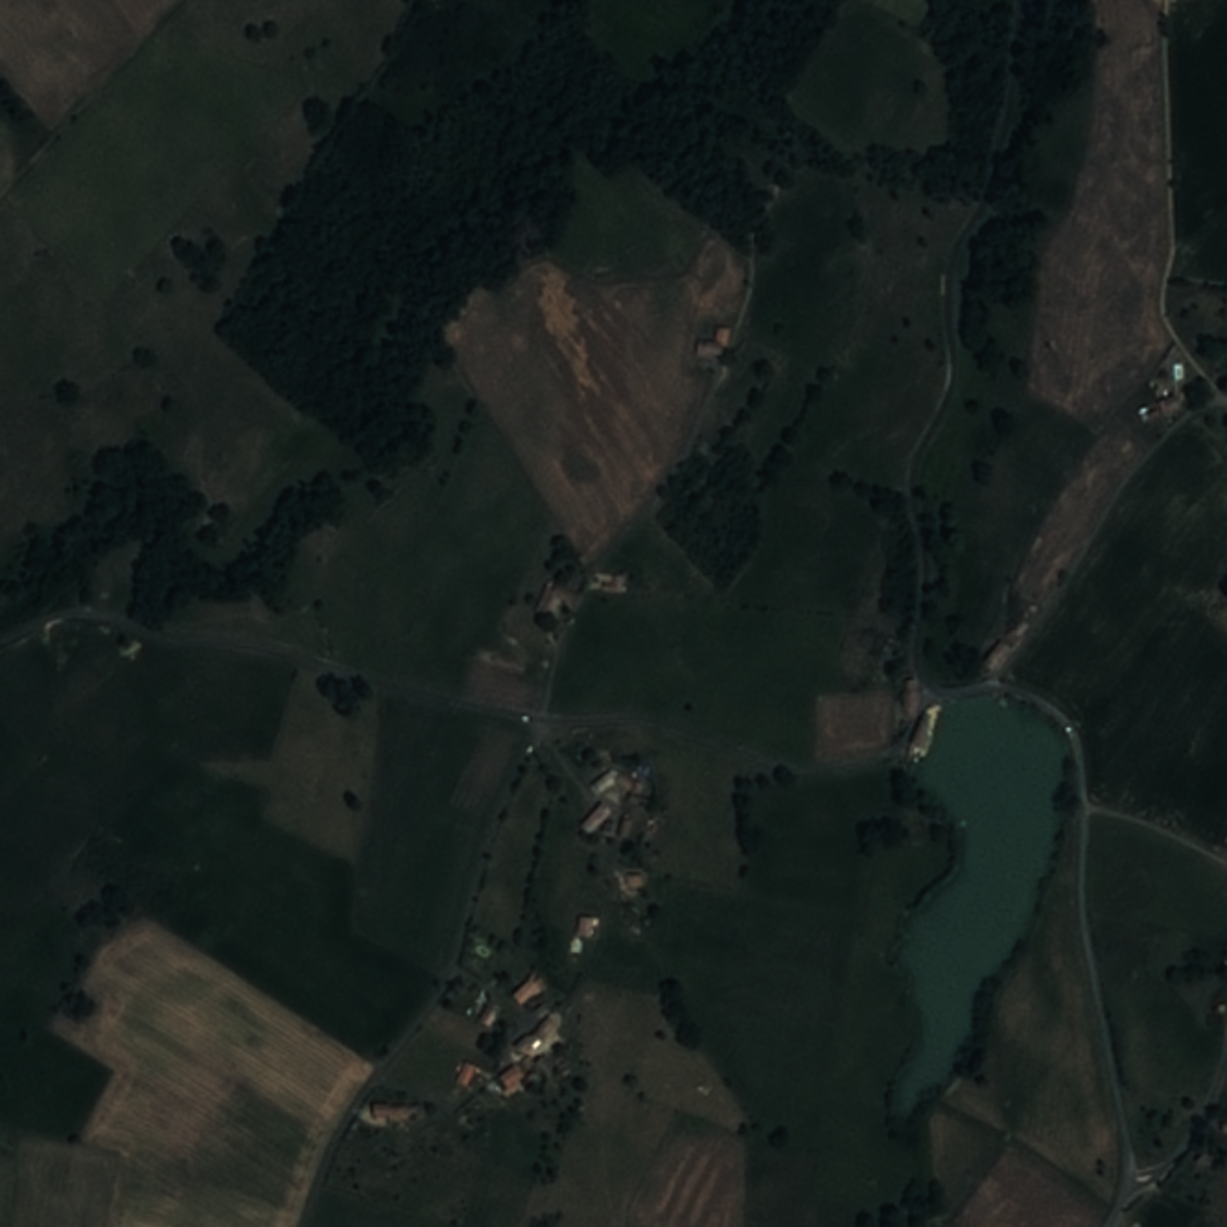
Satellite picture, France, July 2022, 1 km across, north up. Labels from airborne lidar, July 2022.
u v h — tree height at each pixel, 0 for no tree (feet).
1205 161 0
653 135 68
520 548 0
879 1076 0
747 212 31
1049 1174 0
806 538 0
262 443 0
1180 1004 0
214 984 0
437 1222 0
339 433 35
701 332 0
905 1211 25
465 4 21
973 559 0
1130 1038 0
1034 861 0
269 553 70
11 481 0
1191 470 0
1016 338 0
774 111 62
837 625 0
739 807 58
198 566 74
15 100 22
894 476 0
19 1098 0
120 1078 0
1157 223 0
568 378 0
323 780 0
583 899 0
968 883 0
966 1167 0
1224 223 0
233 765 0
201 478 0
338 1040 0
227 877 0
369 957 0
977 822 0
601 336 0
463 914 0
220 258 43
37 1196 0
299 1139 0
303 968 0
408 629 0
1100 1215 0
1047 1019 0
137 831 0
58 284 0
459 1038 0
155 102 0
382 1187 0
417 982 0
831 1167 0
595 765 50
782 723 0
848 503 0
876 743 0
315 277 77
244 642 0
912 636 42
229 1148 0
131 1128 0
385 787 0
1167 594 0
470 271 62
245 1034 0
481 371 0
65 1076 0
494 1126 0
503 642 0
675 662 0
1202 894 0
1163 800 0
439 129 51
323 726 0
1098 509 0
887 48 0
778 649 0
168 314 0
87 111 0
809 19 65
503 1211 0
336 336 81
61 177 0
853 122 0
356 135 54
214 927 0
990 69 39
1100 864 0
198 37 0
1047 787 0
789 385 0
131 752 0
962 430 0
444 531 0
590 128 77
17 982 0
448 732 0
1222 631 0
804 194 0
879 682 0
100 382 0
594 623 0
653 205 0
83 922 47
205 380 0
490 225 77
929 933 0
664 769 0
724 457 44
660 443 0
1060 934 0
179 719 0
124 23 0
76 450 0
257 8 0
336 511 51
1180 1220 0
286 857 0
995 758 0
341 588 0
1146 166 0
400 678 0
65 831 0
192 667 0
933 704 0
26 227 0
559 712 0
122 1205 0
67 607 0
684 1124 0
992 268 79
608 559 0
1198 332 0
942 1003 0
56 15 0
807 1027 0
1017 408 0
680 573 0
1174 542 0
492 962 0
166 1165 0
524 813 0
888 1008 0
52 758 0
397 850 0
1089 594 0
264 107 0
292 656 0
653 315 0
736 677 0
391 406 47
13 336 0
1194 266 0
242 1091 0
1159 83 0
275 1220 0
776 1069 0
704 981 0
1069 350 0
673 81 73
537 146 54
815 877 0
